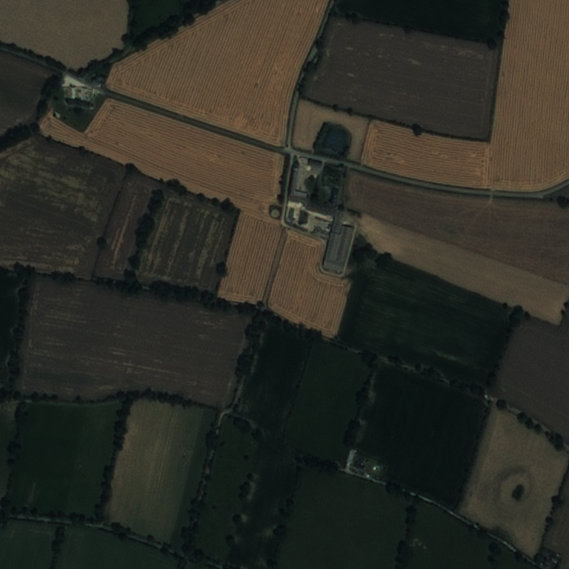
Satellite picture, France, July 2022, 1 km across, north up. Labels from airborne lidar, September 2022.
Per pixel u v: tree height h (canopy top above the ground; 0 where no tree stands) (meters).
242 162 0
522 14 0
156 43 0
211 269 0
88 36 0
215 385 0
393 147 0
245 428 13
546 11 0
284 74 0
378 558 0
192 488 0
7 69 0
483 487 0
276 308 0
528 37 0
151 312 0
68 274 11
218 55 0
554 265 0
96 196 0
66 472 0
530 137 0
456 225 0
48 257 0
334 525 0
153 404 0
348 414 0
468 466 9
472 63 0
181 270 0
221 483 0
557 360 0
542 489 0
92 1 0
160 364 0
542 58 0
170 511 0
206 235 0
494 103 0
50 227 0
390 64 0
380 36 0
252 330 14
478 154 0
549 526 7
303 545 0
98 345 0
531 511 0
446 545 0
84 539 0
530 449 0
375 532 0
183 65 0
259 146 0
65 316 0
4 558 0
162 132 0
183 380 0
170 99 0
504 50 0
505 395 0
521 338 0
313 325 0
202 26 0
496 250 0
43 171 0
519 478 0
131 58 0
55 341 0
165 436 0
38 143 0
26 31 0
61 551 13
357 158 0
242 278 0
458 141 0
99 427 0
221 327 0
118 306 0
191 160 0
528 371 0
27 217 0
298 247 0
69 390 0
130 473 0
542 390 0
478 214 0
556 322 0
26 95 0
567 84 0
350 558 0
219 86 0
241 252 0
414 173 0
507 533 0
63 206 0
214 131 0
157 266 0
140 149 0
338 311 0
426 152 0
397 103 0
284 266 0
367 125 0
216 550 0
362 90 0
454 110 0
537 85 0
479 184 0
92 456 0
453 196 0
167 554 15
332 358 0
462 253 0
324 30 7
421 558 0
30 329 0
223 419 0
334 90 0
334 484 0
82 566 0
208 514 0
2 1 0
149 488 0
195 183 0
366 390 13
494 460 0
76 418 0
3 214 0
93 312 0
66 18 0
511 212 0
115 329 0
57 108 0
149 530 0
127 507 0
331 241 0
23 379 0
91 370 0
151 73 0
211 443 13
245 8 0
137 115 0
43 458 0
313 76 0
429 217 0
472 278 0
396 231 0
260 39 0
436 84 0
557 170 0
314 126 0
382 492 0
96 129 0
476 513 0
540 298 0
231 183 0
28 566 0
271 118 0
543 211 0
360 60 0
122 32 0
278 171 0
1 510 16
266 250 0
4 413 0
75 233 0
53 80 17
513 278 0
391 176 0
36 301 0
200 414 0
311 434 0
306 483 0
